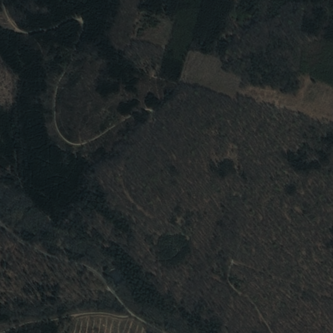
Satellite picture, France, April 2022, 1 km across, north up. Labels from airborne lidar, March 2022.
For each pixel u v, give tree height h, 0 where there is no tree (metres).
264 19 29
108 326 0
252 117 25
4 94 0
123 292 24
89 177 21
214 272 20
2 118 16
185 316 25
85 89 8
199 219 27
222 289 23
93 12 25
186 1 14
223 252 16
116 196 27
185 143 24
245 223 27
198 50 20
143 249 30
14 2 21
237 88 0
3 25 0
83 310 24
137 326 0
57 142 8
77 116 8
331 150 26
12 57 14
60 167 14
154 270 30
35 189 16
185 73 0
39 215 15
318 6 17
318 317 23
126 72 15
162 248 10
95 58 20
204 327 30
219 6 24
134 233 24
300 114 31
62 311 18
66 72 9
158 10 11
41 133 16
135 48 26
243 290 15
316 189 26
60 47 9
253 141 26
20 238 32
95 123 9
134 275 32
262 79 20
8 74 0
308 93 0
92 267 26
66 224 27
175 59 17
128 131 16
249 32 34
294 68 29
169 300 27
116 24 18
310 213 23
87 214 29
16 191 12
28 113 11
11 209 7
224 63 22
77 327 0
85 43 23
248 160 25
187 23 17
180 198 25
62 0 20
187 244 14
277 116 28
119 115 12
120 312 24
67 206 15
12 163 12
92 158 11
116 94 8
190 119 24
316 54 11
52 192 16
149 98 19
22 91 8
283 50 31
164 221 22
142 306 21
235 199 29
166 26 0
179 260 14
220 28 26
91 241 28
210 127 22
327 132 26
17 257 28
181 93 27
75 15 22
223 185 26
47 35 20
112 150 10
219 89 0
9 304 29
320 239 25
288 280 25
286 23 34
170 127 30
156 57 23
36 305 31
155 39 0
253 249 26
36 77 9
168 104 26
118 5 21
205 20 24
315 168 24
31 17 20
